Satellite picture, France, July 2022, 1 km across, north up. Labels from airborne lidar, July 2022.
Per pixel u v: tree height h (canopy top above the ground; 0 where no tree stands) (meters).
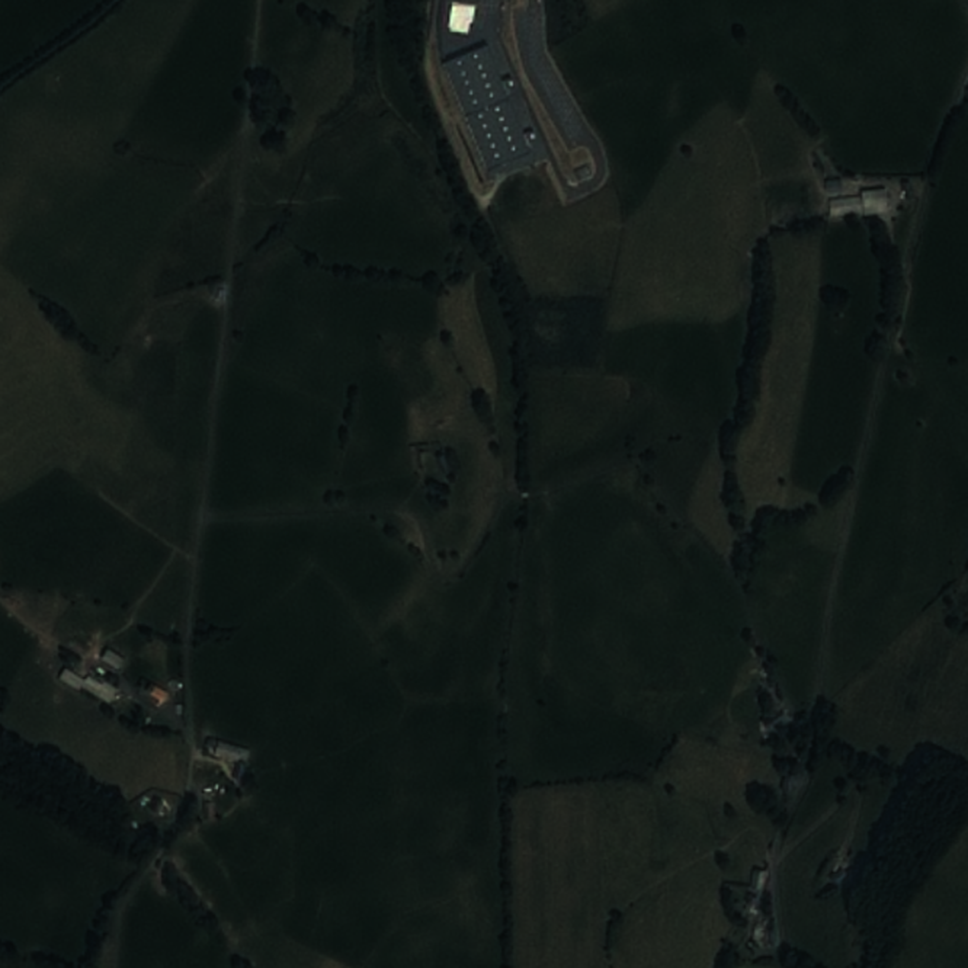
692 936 0
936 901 0
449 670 0
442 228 0
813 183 0
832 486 17
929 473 0
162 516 0
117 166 0
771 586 0
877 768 17
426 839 0
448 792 0
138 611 0
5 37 0
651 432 0
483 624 0
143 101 0
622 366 0
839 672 0
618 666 0
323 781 0
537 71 0
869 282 0
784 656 0
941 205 0
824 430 0
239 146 0
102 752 0
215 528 0
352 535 0
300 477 0
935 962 0
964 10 0
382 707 0
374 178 0
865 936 15
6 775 24
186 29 0
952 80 0
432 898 0
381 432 0
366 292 0
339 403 0
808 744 11
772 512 15
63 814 22
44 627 0
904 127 0
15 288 0
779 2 0
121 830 20
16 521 0
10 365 0
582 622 0
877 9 0
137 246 0
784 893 0
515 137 0
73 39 13
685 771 0
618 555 0
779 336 0
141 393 0
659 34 0
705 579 0
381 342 13
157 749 0
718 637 0
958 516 0
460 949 0
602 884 0
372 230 0
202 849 0
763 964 7
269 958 0
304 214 0
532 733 0
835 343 0
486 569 0
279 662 0
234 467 0
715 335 0
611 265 0
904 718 0
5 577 0
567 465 0
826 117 0
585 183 0
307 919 0
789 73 0
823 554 0
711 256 0
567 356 0
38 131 0
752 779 0
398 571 0
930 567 0
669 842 0
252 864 0
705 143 0
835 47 0
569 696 0
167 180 0
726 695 0
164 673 0
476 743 0
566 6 6
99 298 0
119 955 0
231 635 6
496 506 0
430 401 0
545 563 0
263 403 0
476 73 0
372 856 0
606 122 0
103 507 0
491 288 8
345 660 0
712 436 0
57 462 0
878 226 23
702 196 0
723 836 0
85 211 0
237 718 0
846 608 0
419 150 0
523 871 0
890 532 0
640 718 0
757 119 0
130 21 0
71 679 0
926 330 0
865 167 0
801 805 0
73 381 0
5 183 0
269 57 0
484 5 0
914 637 0
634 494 0
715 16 0
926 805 28
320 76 0
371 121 0
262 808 0
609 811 0
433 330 0
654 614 0
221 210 0
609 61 0
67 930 0
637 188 0
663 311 0
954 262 0
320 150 0
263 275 0
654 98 0
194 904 21
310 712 0
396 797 0
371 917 0
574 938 0
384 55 0
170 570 0
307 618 0
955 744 0
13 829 0
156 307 0
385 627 0
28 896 0
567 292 0
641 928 0
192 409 0
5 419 0
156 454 0
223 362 0
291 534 0
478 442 0
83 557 0
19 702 0
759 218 0
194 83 0
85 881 0
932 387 0
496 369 0
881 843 21
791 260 0
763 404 0
